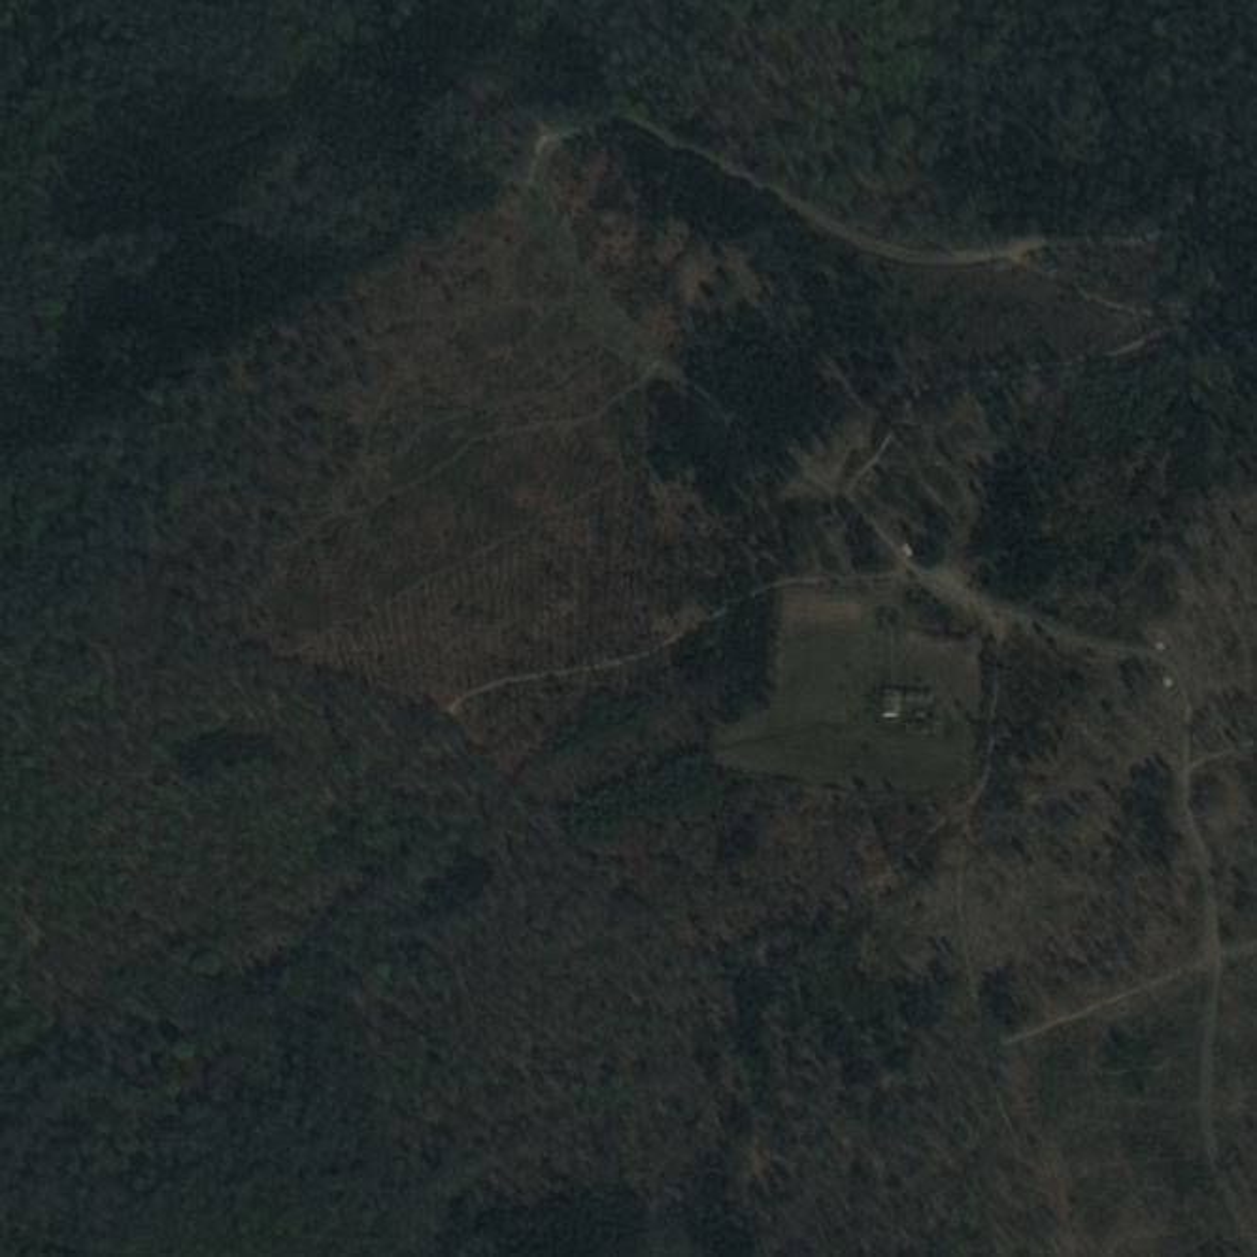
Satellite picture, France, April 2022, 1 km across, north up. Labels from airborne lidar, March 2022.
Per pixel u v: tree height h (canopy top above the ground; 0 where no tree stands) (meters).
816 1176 29
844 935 6
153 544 27
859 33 34
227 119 19
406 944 27
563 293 0
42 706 24
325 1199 25
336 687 26
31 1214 25
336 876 19
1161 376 13
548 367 0
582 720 13
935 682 0
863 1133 28
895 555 0
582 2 25
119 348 13
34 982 31
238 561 25
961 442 0
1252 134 0
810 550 0
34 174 21
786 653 0
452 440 0
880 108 33
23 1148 34
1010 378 20
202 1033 20
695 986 23
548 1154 28
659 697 12
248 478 27
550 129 21
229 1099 25
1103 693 0
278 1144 28
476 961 25
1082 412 14
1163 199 37
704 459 13
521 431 0
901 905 0
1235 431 14
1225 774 23
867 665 0
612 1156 26
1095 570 27
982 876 0
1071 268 29
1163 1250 0
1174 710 0
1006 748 10
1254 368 23
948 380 26
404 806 21
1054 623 20
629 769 11
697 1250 22
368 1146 19
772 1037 26
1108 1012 0
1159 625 0
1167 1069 0
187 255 22
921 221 31
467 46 13
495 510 0
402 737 25
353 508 0
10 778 24
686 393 13
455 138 8
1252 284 15
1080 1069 0
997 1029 13
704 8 25
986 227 28
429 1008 26
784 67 30
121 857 23
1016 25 24
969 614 0
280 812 25
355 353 20
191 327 21
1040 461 14
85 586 25
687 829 10
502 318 0
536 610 8
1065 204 24
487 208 12
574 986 22
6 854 26
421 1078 26
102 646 23
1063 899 0
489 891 21
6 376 16
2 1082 24
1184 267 12
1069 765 0
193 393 24
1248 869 0
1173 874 28
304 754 19
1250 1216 0
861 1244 27
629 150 12
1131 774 0
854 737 0
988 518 14
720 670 10
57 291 23
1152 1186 0
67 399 20
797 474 30
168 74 15
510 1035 23
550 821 29
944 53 6
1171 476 8
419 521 0
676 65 20
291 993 27
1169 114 28
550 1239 25
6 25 24
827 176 30
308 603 0
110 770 26
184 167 18
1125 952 23
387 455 0
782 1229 29
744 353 26
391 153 16
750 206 6
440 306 0
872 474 0
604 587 6
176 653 24
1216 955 0
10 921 27
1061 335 0
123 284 11
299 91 14
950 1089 24
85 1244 22
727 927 8
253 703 21
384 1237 25
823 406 26
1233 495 25
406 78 15
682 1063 24
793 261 29
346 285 10
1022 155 35
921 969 0
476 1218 25
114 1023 23
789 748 0
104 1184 32
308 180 15
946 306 6
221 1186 30
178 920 29
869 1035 20
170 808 22
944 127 22
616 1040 24
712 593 6
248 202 20
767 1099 20
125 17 25
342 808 21
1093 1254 0
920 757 0
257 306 19
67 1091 35
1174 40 25
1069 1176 0
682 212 11
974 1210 27
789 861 9
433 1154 26
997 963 0
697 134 21
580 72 15
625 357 0
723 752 0
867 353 26
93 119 21
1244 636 0
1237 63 29
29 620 28
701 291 0
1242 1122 0
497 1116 26
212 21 17
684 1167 14
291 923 17
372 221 18
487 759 15
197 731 21
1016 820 27
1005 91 16
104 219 24
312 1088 20
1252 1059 0
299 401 24
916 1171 25
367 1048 28
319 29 18
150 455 20
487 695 6
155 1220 29
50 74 28
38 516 26
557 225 0
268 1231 25
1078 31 28
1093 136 30
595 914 27
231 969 16
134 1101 35
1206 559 0
